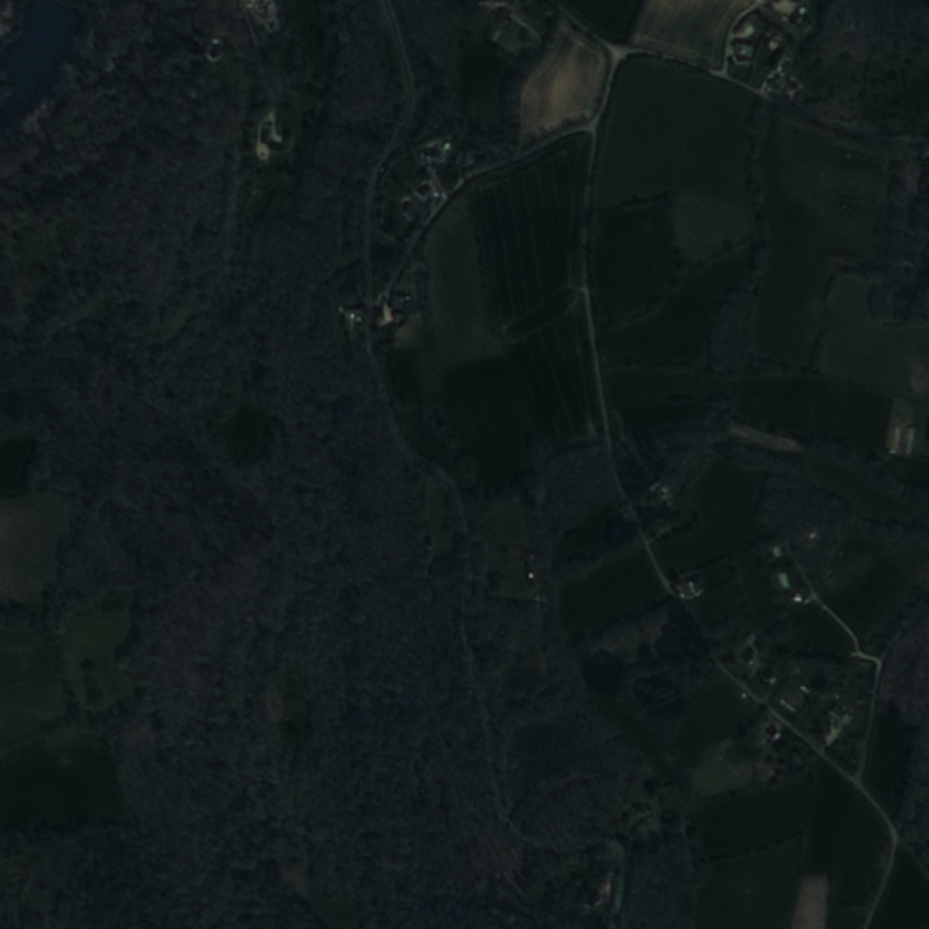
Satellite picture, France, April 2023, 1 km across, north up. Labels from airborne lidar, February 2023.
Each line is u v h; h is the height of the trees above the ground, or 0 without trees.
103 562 22
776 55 7
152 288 24
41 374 16
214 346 9
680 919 12
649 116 0
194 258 13
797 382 0
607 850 24
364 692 23
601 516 0
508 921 21
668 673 9
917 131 11
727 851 0
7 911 11
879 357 0
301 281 23
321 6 10
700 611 0
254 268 26
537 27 0
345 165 23
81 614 8
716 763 0
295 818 10
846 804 0
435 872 24
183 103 26
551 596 11
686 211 0
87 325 19
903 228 19
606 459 13
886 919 0
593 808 18
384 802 29
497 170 12
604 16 0
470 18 16
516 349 0
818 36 6
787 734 6
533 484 19
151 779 19
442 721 23
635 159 0
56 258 19
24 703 0
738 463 12
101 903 21
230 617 16
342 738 17
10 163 27
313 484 25
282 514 15
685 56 0
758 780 0
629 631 13
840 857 0
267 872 29
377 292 0
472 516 20
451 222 0
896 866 0
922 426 0
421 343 0
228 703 21
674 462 13
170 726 25
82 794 0
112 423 16
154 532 12
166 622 22
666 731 8
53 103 22
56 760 0
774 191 0
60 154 27
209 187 15
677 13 0
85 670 11
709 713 0
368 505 23
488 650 20
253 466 19
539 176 0
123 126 26
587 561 10
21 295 8
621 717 0
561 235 0
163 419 10
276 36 6
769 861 0
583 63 0
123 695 0
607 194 0
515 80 16
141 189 32
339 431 29
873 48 13
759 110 13
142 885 11
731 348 9
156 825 14
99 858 20
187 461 14
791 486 11
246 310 26
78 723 16
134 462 9
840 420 0
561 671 10
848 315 0
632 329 0
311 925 26
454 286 0
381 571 26
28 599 0
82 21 16
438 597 23
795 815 0
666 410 0
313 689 12
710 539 0
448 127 15
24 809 0
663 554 0
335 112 23
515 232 0
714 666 8
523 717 14
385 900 30
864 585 0
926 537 18
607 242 0
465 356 0
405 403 14
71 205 22
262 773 11
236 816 28
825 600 0
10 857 13
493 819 22
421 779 24
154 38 28
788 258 0
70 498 20
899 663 9
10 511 0
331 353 20
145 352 15
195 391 13
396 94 15
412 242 11
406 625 25
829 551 11
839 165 0
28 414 14
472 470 12
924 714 13
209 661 19
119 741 16
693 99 0
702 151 0
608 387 0
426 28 15
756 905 0
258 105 24
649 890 17
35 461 14
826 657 12
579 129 0
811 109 9
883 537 8
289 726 0
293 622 10
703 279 0
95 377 18
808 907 0
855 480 0
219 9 31
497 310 0
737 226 0
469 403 0
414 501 27
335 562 16
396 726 27
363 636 25
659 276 0
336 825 10
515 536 0
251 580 21
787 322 0
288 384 26
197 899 24
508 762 8
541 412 0
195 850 25
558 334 0
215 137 33
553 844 20
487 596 17
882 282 13
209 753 19
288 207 0
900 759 0
